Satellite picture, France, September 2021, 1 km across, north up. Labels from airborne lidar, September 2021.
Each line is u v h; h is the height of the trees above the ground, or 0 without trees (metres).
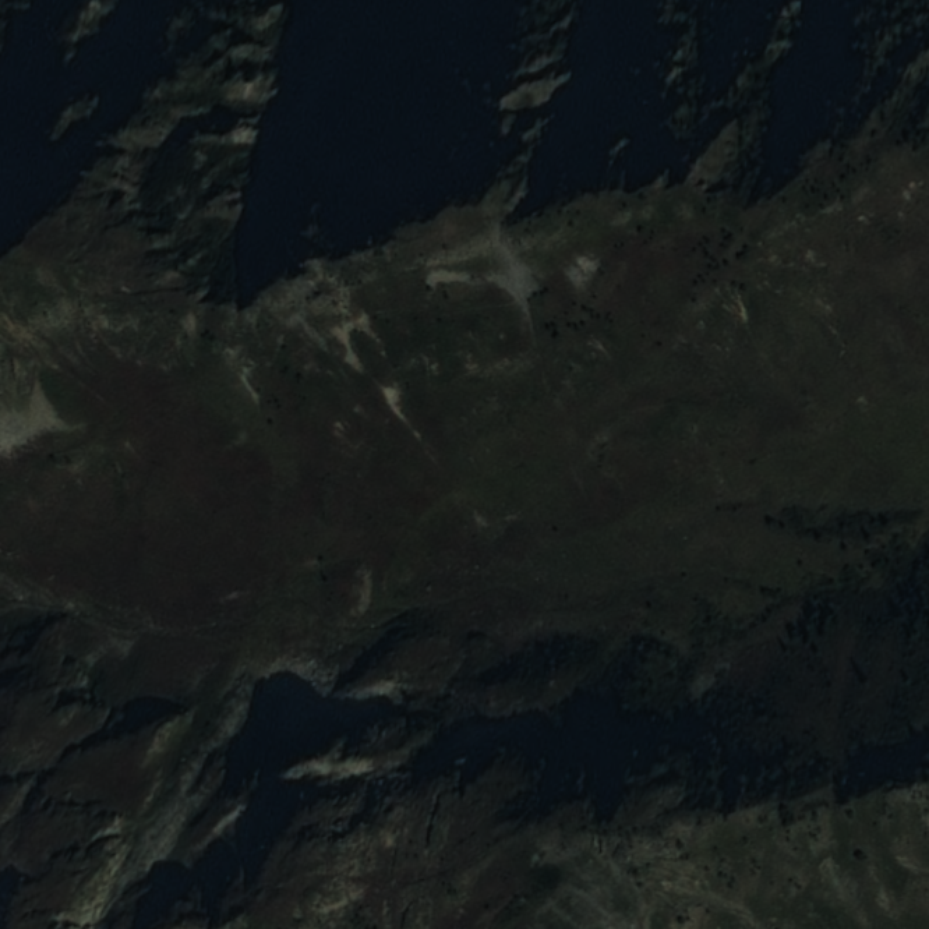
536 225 0
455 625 0
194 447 0
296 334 0
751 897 0
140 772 0
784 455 0
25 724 0
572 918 0
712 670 0
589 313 6
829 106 9
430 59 10
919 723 0
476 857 0
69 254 0
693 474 0
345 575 0
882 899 0
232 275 6
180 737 0
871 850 0
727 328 0
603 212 0
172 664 0
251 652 0
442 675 0
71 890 0
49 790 0
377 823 0
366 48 6
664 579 0
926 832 6
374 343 0
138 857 0
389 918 0
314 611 0
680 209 0
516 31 7
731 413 0
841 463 0
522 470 0
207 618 0
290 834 0
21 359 0
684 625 0
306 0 10
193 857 0
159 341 0
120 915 0
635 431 0
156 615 0
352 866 0
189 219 0
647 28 6
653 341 0
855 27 7
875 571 9
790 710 0
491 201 0
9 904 0
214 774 0
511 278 0
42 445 0
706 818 0
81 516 0
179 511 0
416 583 0
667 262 0
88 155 0
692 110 11
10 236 0
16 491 0
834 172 0
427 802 0
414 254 0
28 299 0
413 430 0
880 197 0
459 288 0
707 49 6
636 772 9
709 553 0
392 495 0
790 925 0
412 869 0
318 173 6
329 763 0
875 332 0
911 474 0
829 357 0
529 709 0
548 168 7
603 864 0
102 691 0
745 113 6
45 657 0
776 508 0
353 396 0
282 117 7
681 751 7
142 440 0
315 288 0
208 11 7
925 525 0
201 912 0
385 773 0
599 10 0
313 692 0
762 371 0
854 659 0
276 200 7
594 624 0
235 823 0
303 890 0
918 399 0
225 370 0
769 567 0
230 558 0
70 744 0
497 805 0
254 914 0
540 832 0
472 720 0
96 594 0
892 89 9
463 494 0
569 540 0
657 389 0
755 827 0
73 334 0
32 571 0
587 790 7
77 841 0
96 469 0
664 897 0
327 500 0
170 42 0
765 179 6
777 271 0
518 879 0
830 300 0
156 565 0
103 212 0
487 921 0
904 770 6
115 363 0
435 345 0
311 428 0
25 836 0
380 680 0
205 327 0
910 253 0
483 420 0
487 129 7
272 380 0
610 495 0
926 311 0
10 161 0
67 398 0
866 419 0
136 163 0
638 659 0
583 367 0
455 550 0
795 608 0
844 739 0
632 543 0
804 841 0
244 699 0
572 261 0
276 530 0
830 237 0
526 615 0
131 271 0
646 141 9
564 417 0
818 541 8
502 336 0
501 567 0
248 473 0
